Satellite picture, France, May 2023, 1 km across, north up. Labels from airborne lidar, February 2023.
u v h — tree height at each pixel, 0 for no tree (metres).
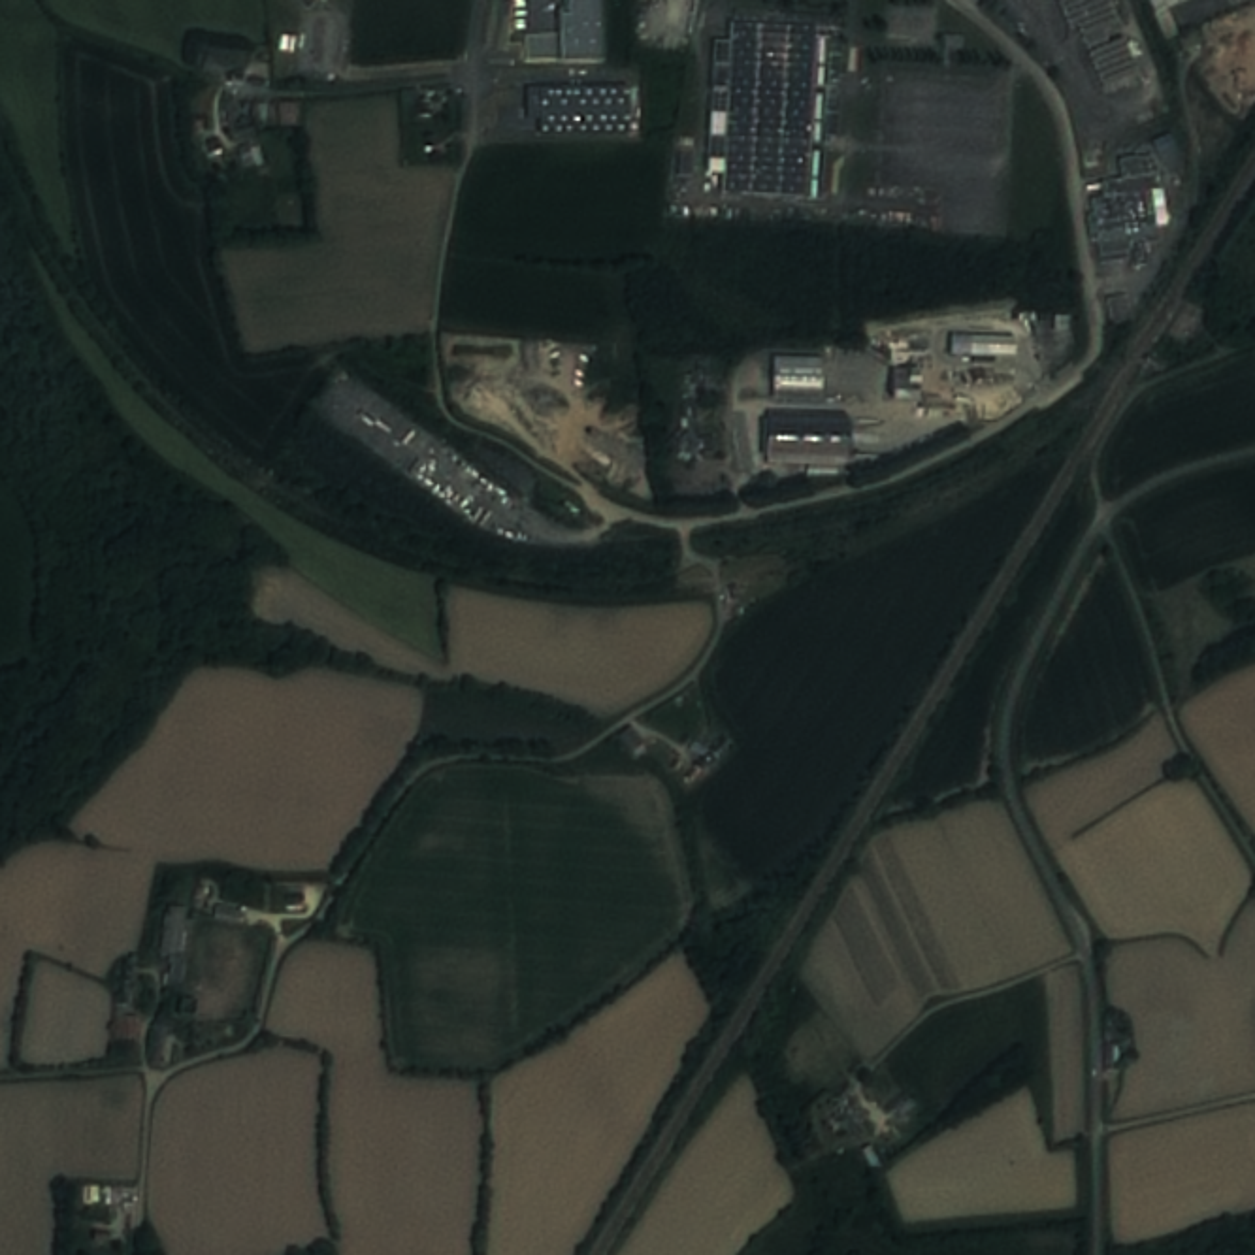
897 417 0
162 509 8
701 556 0
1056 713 0
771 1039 6
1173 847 0
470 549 6
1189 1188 0
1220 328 9
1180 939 0
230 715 0
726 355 8
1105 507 0
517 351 0
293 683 0
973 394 0
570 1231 0
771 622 0
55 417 10
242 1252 0
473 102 0
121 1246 15
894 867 0
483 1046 0
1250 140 12
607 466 0
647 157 0
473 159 0
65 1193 18
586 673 0
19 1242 0
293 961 0
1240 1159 0
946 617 0
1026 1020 0
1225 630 0
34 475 8
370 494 6
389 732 0
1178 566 0
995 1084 15
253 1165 0
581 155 0
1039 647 0
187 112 8
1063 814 0
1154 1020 0
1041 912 0
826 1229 8
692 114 0
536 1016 0
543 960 0
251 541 10
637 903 0
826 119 0
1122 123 0
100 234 0
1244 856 0
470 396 0
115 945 0
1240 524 0
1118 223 0
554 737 0
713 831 0
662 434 14
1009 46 0
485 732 0
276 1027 0
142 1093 0
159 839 0
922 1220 0
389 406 0
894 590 0
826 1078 0
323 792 0
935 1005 0
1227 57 0
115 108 0
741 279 6
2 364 7
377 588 0
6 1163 0
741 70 0
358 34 0
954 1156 0
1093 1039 0
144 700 7
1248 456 0
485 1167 9
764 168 0
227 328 0
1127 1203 0
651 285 13
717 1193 0
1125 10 0
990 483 0
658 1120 7
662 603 0
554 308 0
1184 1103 0
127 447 12
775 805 0
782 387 0
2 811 18
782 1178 0
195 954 0
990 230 0
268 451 0
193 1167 0
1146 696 0
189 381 0
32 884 0
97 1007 0
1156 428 0
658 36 0
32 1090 0
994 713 0
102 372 0
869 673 0
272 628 10
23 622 0
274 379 0
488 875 0
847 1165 0
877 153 0
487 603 0
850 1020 0
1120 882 0
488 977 0
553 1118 0
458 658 0
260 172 0
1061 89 0
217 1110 0
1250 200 11
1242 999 0
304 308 0
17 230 8
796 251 12
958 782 0
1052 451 8
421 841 0
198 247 0
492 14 0
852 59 0
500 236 0
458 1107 0
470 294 0
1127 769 0
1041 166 0
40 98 0
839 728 0
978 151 0
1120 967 0
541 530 0
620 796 0
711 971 13
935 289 14
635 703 0
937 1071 0
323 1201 8
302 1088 0
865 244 7
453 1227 0
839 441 0
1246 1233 7
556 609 0
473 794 0
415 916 0
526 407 0
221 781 0
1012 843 0
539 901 0
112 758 7
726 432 0
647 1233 0
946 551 0
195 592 13
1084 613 0
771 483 14
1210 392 0
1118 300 0
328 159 0
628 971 0
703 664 0
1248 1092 0
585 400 0
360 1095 0
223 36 9
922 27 0
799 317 8
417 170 0
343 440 8
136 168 0
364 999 0
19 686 10
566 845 0
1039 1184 0
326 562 0
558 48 0
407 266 0
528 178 0
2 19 0
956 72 0
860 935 0
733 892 0
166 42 0
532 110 0
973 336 0
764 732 0
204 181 10
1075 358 0
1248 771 0
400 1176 0
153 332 0
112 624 9
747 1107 0
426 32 0
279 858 0
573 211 0
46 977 0
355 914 0
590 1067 0
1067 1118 0
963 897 0
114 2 0
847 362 0
